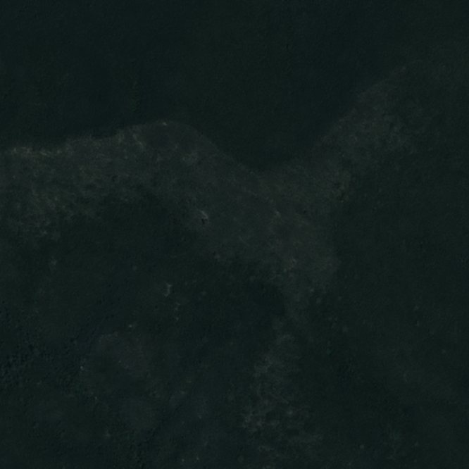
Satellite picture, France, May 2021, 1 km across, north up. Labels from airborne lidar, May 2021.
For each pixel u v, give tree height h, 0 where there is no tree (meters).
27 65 6
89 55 5
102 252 7
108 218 6
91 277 6
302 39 6
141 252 8
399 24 6
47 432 8
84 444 8
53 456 9
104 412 7
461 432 6
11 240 6
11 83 7
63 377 10
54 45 6
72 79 7
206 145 0
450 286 6
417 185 6
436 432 6
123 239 8
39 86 5
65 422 6
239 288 6
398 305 7
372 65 6
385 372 6
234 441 6
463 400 7
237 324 9
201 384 6
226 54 7
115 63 8
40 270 6
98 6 6
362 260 7
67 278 7
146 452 12
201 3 6
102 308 6
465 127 8
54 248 6
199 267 6
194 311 8
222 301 10
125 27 6
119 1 6
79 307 6
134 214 7
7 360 9
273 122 6
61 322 6
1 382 18
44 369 7
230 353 8
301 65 8
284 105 7
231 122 7
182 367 8
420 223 7
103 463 9
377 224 6
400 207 6
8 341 8
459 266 8
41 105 6
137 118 6
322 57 6
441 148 6
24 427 7
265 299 8
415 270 8
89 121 6
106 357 6
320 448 6
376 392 8
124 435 9
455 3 6
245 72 6
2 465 6
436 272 6
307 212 11
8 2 7
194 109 6
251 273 7
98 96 7
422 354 6
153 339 6
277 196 0
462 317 5
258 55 6
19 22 7
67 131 6
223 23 6
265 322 6
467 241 7
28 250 5
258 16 7
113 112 5
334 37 6
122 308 7
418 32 6
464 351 7
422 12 5
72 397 6
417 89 6
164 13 6
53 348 8
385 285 6
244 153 5
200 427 8
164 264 5
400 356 6
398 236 6
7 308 12
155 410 7
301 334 5
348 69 6
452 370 5
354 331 6
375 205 7
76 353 6
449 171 7
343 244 6
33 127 7
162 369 7
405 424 7
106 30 7
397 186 7
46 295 6
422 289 6
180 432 7
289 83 8
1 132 7
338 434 13
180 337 8
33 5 5
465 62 5
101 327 6
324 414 6
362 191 6
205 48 6
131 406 6
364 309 5
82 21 6
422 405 6
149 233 6
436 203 6
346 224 6
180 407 8
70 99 6
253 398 5
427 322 6
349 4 5
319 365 8
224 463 7
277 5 6
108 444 8
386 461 6
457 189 6
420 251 8
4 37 6
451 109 6
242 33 6
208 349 9
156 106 5
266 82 7
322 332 7
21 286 7
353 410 7
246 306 6
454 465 6
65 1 6
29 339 17
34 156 0
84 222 5
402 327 6
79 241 6
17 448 6
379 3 7
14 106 7
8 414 8
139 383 6
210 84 7
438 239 7
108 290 8
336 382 7
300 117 6
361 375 7
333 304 6
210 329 10
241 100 6
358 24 5
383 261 9
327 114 5
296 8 7
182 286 6
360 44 5
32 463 5
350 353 6
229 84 7
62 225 6
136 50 6
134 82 6
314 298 5
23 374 11
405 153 6
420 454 5
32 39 5
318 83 6
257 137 7
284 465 6
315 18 6
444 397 6
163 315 6
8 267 7
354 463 6
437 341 7
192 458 6
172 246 9
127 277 6
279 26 6
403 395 7
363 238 7
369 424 5
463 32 6
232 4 7
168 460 6
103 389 7
